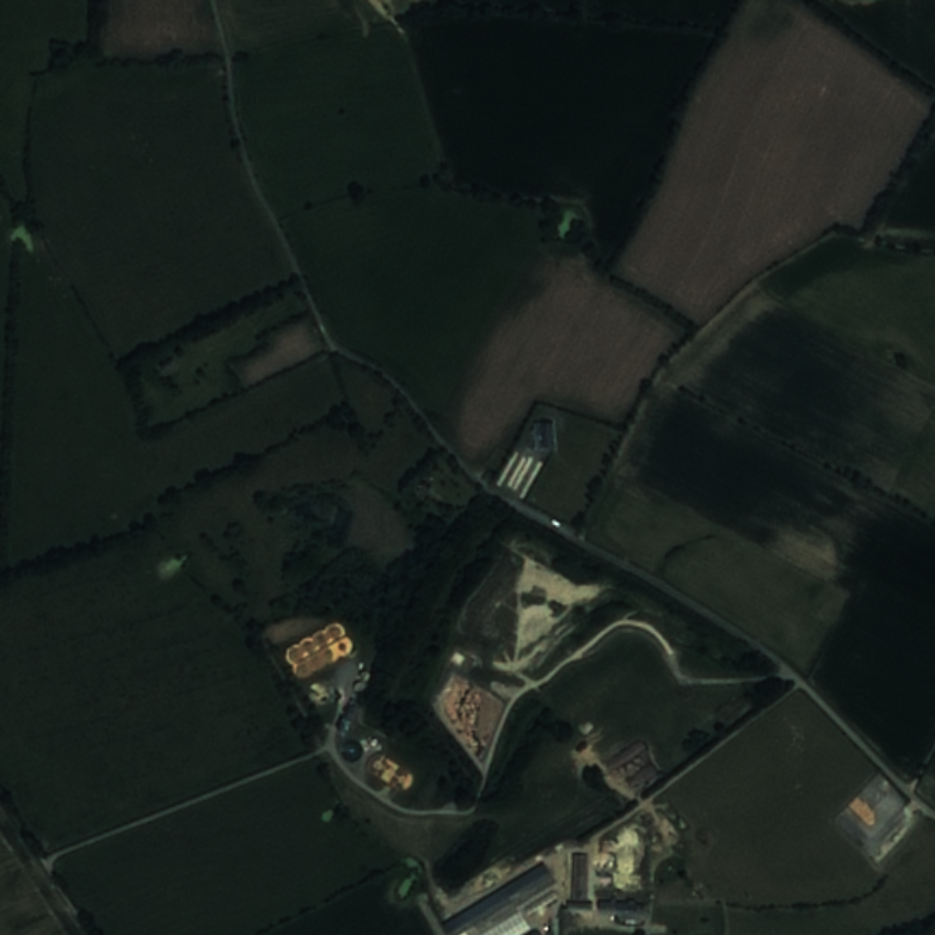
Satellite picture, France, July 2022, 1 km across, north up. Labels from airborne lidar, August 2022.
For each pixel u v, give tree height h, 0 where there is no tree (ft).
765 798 0
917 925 51
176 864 0
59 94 0
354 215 0
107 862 0
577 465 0
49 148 0
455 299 0
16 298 28
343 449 0
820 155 0
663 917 0
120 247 0
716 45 34
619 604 25
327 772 50
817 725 0
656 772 0
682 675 0
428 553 59
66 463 0
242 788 0
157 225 0
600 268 42
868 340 0
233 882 0
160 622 0
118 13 0
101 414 0
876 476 0
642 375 0
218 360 0
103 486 0
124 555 0
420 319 0
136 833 0
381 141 0
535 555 0
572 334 0
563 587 0
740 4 29
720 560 0
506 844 0
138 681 0
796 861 0
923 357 0
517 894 0
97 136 0
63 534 0
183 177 0
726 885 0
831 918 0
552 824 0
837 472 24
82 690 0
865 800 0
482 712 0
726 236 0
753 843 0
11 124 0
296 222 0
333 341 0
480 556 20
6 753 0
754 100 0
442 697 0
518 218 0
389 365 0
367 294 0
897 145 0
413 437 0
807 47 0
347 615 19
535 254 0
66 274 0
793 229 0
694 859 0
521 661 0
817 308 0
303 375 0
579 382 0
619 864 0
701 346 0
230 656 0
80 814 0
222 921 0
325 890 0
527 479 0
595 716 0
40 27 0
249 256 0
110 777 0
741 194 0
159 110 0
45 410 0
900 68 36
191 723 0
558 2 0
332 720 0
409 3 0
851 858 0
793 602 0
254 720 0
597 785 32
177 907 0
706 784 0
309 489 31
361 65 0
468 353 0
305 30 0
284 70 0
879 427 0
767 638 0
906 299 0
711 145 0
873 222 39
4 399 21
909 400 0
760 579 0
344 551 41
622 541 0
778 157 0
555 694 0
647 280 0
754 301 0
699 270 0
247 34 0
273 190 0
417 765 0
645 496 0
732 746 0
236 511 0
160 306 0
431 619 0
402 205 0
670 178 0
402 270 0
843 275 0
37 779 0
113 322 0
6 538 24
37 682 0
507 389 0
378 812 0
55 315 0
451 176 51
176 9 0
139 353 44
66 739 0
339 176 0
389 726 41
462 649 0
